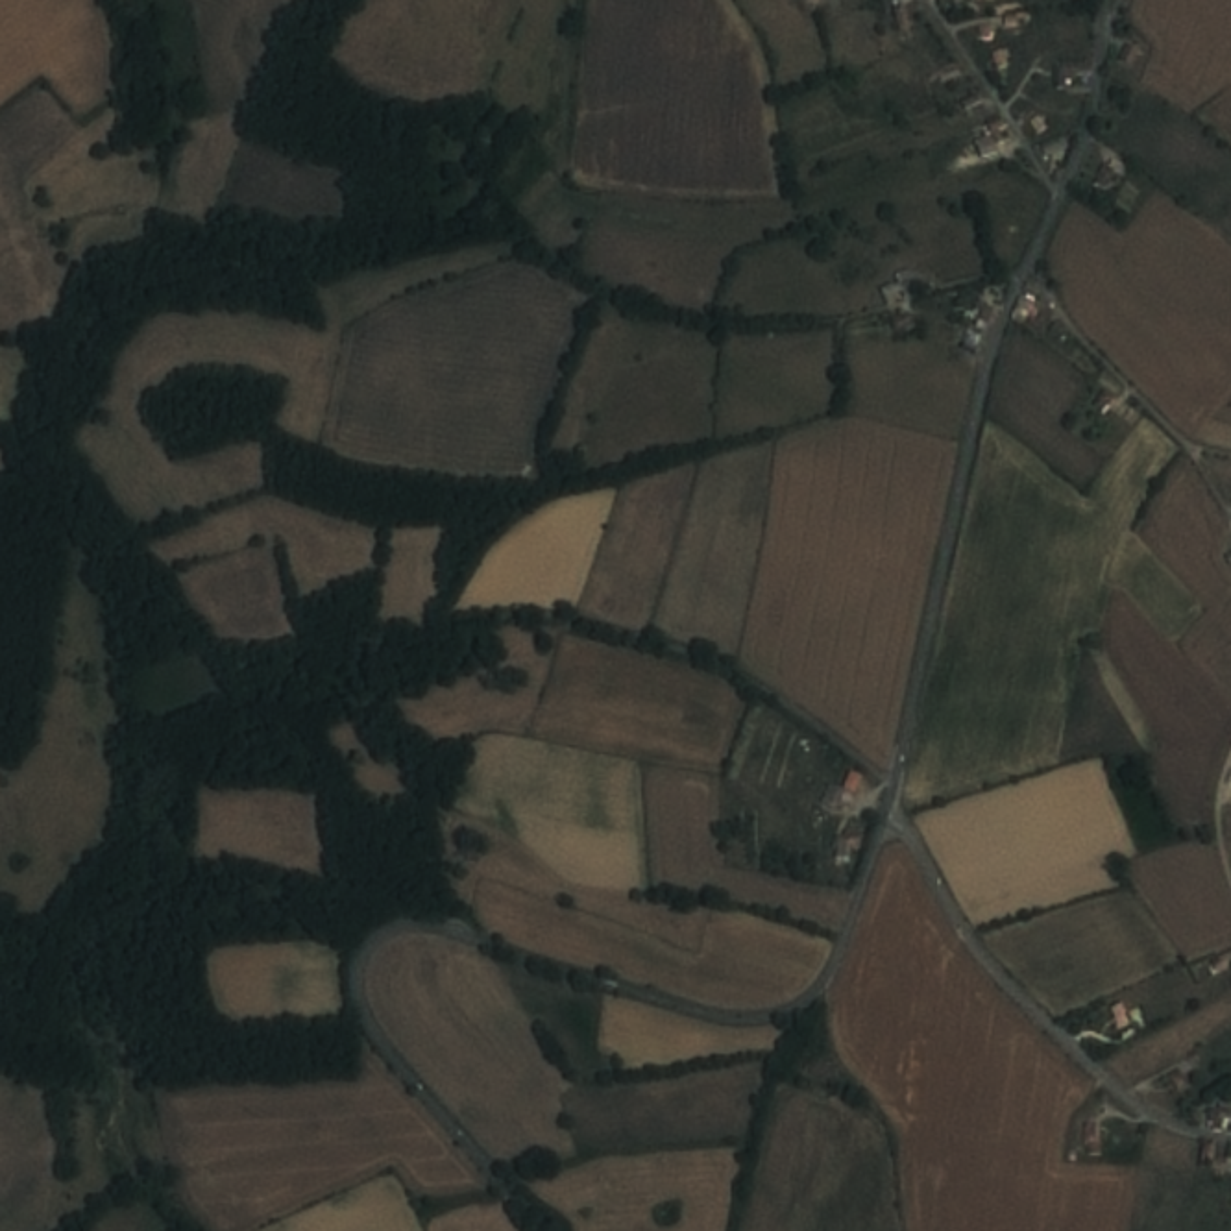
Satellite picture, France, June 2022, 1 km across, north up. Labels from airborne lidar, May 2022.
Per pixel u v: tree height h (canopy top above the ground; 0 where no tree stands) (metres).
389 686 22
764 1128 8
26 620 20
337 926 18
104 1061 14
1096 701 0
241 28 0
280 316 15
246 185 0
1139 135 0
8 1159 0
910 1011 0
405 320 0
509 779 0
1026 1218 0
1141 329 0
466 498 14
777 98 14
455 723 0
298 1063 18
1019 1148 0
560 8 0
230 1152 0
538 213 0
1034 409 0
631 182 0
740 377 0
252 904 16
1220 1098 14
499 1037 0
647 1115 0
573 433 0
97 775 0
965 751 0
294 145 18
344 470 12
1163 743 0
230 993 0
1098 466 0
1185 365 0
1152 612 0
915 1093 0
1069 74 0
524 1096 0
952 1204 0
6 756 15
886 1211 0
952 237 0
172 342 0
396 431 0
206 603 0
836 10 0
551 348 0
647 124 0
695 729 0
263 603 0
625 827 0
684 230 0
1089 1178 0
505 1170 18
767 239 10
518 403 0
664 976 0
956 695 0
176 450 11
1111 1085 0
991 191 0
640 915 0
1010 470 0
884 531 0
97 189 0
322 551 0
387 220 16
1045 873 0
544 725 0
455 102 15
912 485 0
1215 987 0
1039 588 0
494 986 0
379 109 14
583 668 0
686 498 0
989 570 0
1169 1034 0
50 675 20
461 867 6
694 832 0
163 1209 19
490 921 0
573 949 0
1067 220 0
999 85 7
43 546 15
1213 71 0
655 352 0
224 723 26
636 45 0
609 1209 0
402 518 12
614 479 16
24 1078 18
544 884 0
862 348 0
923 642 0
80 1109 17
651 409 0
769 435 6
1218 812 0
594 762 0
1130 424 0
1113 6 0
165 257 21
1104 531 0
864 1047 0
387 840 17
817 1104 0
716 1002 0
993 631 0
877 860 0
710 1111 0
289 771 17
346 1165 0
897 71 0
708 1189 0
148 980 20
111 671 17
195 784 17
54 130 0
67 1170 18
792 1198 0
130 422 0
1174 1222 0
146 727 21
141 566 19
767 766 0
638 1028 0
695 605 0
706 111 0
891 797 0
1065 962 0
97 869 20
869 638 0
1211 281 0
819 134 0
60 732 0
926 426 0
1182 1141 0
